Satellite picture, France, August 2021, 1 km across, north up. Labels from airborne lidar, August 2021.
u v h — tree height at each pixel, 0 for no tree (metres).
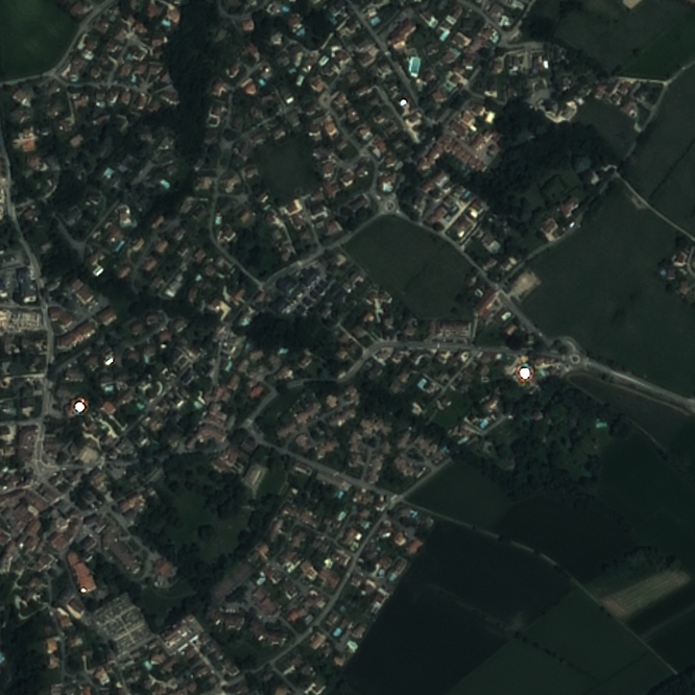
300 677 6
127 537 0
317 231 0
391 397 11
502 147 20
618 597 0
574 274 0
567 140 20
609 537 0
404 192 8
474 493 0
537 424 18
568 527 0
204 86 12
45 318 0
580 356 0
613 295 0
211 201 7
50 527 12
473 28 6
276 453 15
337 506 6
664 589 0
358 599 12
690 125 0
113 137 20
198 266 6
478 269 10
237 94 9
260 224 11
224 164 7
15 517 0
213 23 16
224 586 0
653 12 0
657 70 0
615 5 0
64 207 13
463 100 10
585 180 23
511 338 11
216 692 0
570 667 0
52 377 17
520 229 18
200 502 0
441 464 0
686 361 0
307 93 9
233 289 12
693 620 0
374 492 7
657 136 0
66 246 11
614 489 0
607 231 0
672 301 0
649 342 0
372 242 0
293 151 0
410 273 0
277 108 6
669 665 0
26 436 0
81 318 0
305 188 0
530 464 16
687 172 0
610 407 14
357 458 0
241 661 12
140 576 0
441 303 0
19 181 12
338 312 13
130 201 20
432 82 11
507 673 0
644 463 0
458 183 19
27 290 0
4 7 0
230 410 8
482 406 12
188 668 7
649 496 0
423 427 11
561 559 0
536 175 20
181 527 13
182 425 15
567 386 16
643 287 0
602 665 0
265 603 0
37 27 0
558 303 0
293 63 8
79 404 0
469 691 0
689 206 0
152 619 9
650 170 0
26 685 31
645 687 0
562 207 0
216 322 16
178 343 7
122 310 0
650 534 0
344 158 9
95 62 8
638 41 0
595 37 0
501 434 0
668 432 0
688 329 0
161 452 9
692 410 0
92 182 15
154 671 8
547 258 0
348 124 6
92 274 17
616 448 0
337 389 15
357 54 13
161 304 16
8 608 25
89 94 13
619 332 0
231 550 0
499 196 18
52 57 0
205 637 0
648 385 0
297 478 10
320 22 13
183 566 20
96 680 7
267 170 0
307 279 0
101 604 8
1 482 7
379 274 0
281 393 15
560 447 13
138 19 13
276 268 8
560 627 0
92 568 7
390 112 0
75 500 12
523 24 6
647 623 0
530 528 0
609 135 0
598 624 0
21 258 0
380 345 0
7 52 0
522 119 22
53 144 13
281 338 20
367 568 6
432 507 0
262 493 0
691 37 0
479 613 6
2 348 10
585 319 0
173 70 12
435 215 0
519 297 0
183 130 12
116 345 12
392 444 8
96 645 6
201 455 14
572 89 8
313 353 7
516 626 0
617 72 8
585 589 0
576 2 10
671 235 0
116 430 6
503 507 0
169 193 8
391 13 12
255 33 9
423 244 0
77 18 6
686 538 0
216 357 8
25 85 12
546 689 0
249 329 13
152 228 7
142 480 8
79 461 12
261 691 11
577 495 14
